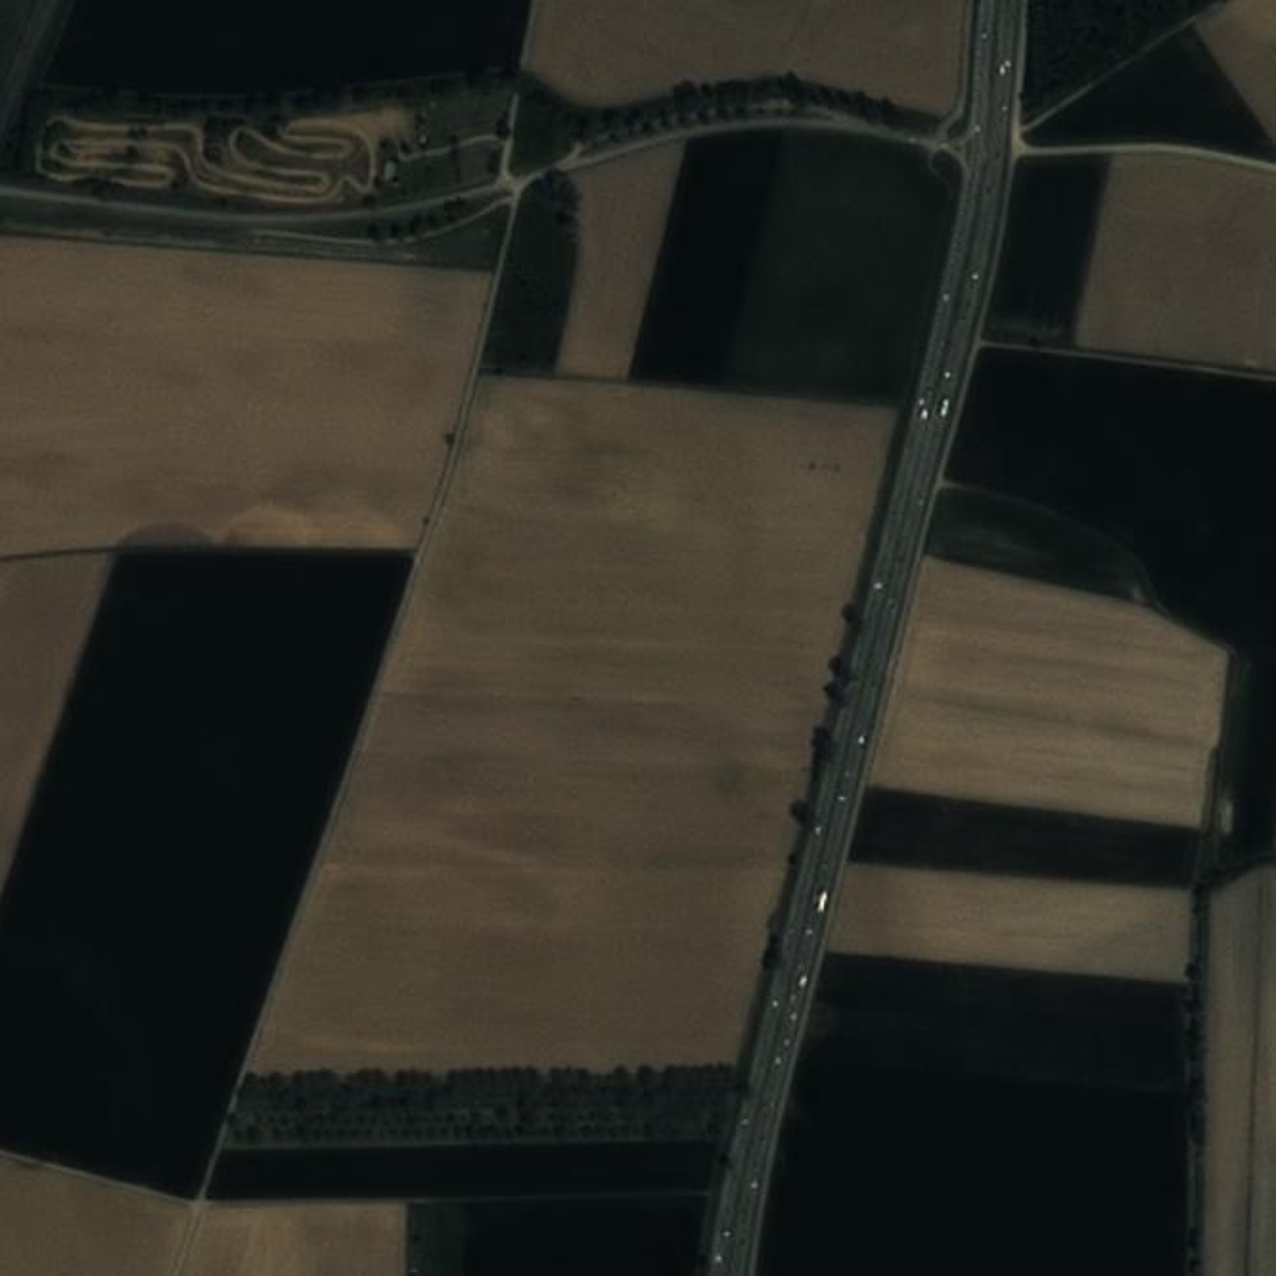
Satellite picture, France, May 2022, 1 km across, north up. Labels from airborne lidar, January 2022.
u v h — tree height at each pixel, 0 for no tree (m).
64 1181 0
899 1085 0
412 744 0
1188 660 0
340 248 0
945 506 0
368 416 0
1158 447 0
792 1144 0
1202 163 0
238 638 0
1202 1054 9
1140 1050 0
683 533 0
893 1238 0
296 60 0
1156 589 0
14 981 0
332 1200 0
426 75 0
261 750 0
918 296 0
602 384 0
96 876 0
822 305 0
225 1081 0
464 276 0
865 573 0
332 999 0
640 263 0
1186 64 0
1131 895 0
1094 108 0
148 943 0
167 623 0
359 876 0
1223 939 0
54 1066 0
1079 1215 0
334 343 0
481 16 0
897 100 0
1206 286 0
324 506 0
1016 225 0
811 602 0
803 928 0
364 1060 0
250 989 0
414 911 0
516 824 0
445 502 0
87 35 0
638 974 0
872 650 0
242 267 0
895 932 0
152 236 0
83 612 0
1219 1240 0
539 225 0
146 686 0
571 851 0
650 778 0
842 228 0
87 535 0
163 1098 0
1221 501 0
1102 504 0
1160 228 0
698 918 0
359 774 0
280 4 0
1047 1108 0
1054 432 0
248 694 0
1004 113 0
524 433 0
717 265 0
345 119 0
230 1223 0
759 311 0
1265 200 0
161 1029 0
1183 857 0
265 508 0
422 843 0
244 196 0
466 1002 0
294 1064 0
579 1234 0
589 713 0
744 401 0
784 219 0
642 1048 0
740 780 0
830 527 0
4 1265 0
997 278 0
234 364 0
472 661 0
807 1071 0
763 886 0
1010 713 0
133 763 0
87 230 0
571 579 0
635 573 0
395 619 0
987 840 0
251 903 0
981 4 0
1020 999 0
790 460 0
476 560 0
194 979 0
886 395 0
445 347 0
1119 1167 0
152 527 0
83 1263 0
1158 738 0
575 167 0
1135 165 0
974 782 0
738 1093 18
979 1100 0
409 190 0
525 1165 0
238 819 0
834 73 0
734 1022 0
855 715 0
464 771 0
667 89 0
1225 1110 0
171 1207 0
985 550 0
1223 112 0
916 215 0
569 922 0
